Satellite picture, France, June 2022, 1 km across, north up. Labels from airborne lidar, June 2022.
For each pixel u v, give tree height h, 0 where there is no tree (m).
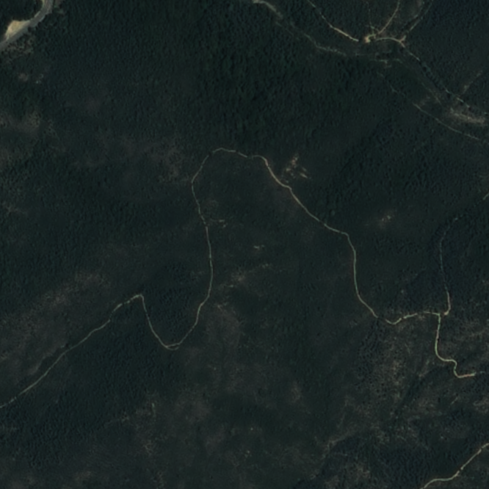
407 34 8
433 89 0
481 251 10
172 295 13
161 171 6
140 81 7
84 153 7
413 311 11
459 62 8
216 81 10
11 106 9
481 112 22
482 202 8
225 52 20
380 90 11
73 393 9
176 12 15
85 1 10
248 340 8
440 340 8
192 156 6
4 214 8
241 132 17
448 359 0
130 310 8
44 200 8
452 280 18
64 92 7
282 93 19
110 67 5
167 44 12
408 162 10
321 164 6
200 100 12
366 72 10
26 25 0
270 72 11
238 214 6
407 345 0
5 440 11
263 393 11
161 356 6
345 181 12
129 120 8
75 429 11
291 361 11
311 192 8
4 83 10
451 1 11
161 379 11
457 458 11
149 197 9
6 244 7
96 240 6
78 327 8
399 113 7
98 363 8
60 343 0
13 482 0
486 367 11
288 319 8
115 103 7
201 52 15
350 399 0
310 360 10
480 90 7
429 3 6
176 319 9
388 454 12
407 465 12
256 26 15
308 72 6
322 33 7
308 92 15
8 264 8
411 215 10
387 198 8
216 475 0
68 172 6
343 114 7
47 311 5
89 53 5
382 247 13
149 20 7
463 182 12
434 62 9
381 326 9
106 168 8
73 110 7
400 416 8
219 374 0
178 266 10
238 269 8
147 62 5
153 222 7
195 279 8
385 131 15
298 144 8
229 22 7
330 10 8
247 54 15
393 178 6
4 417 11
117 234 8
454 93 6
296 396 0
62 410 6
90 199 7
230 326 0
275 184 0
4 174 7
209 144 6
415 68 0
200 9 6
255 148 6
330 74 8
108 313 7
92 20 7
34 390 7
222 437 0
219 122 7
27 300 5
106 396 11
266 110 9
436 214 6
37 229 6
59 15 8
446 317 7
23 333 0
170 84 6
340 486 8
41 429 12
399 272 6
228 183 5
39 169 7
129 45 8
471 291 11
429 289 13
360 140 8
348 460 11
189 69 7
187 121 7
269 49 7
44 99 16
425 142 8
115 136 8
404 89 8
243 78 17
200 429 9
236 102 19
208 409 0
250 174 9
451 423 11
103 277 8
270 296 8
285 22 9
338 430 0
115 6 13
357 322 9
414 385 7
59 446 8
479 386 11
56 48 8
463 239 16
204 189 7
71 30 7
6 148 7
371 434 6
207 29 6
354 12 6
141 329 9
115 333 6
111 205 6
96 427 6
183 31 6
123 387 6
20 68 7
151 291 7
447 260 14
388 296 9
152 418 8
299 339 6
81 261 6
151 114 7
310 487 14
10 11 8
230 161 7
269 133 8
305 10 18
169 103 7
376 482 7
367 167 10
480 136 8
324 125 13
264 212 9
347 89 10
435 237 16
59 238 5
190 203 8
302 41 7
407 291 11
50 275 6
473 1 12
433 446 11
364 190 6
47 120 6
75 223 6
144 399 7
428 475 10
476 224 8
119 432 7
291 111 12
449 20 12
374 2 8
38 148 10
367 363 9
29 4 9
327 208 11
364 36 7
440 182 13
